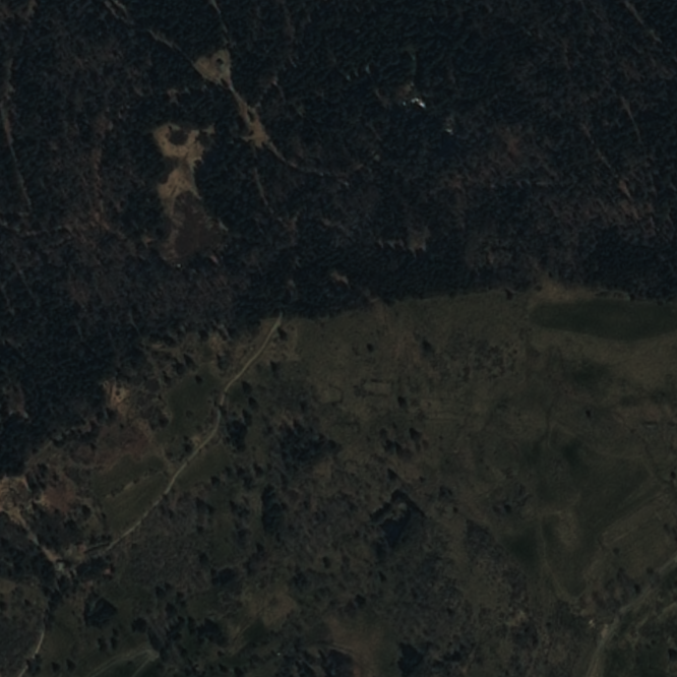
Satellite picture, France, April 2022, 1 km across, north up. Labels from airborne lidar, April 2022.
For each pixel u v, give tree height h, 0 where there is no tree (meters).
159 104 25
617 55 34
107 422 8
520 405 0
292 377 0
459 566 0
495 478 0
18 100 11
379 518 17
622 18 31
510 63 13
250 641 0
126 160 33
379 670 0
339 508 13
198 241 0
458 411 0
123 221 24
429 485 0
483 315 0
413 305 0
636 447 0
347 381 0
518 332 0
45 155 24
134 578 0
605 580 0
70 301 20
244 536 19
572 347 0
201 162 0
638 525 0
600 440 0
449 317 0
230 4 15
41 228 5
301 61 14
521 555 0
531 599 0
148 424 0
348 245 25
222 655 10
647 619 0
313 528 13
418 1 23
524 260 16
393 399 0
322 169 11
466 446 0
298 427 15
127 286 26
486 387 0
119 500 0
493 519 0
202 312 22
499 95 11
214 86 19
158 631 17
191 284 26
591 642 0
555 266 15
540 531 0
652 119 31
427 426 0
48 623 13
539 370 0
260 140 0
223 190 23
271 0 27
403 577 8
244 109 0
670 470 0
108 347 25
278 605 0
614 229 11
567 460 0
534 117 18
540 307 0
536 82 24
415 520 9
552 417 0
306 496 7
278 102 16
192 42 27
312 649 0
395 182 15
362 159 17
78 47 25
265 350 0
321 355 0
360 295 22
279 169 17
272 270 17
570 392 0
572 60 13
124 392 0
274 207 14
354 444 0
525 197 17
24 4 26
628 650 0
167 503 9
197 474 0
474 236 16
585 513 0
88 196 25
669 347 0
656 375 0
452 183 9
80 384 12
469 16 17
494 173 29
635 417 0
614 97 19
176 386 0
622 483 0
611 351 0
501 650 0
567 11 23
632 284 16
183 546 0
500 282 16
